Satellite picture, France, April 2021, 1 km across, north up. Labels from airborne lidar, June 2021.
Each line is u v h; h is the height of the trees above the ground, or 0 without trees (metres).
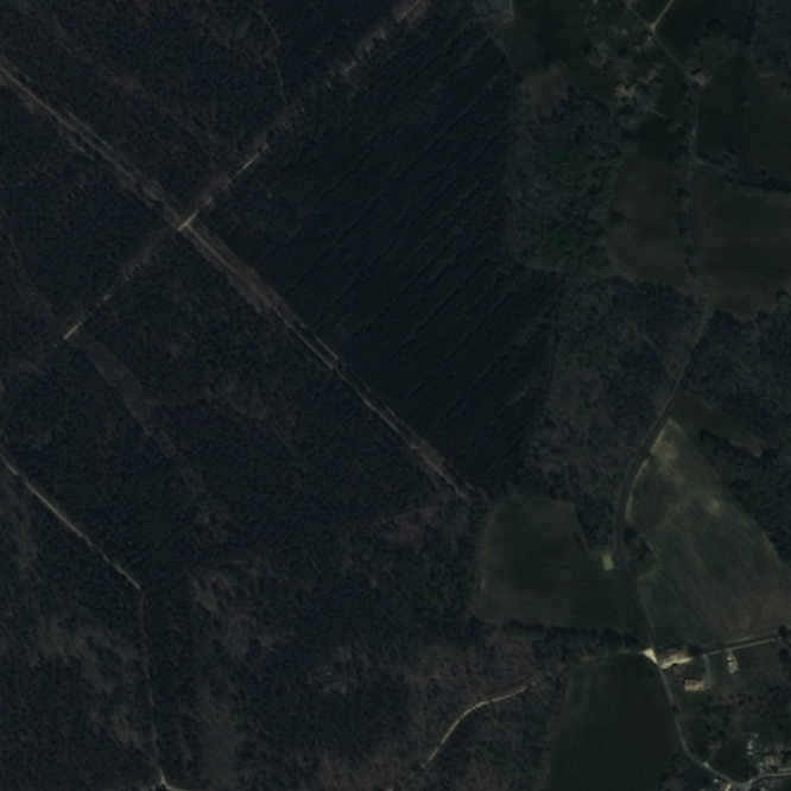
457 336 11
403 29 9
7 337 20
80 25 19
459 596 18
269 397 19
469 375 13
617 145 21
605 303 18
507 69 8
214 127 14
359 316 9
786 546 27
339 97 19
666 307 21
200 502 11
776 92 0
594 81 0
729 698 7
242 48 18
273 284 12
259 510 20
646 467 0
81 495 21
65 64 16
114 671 10
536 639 16
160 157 17
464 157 11
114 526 21
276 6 11
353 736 18
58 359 18
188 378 20
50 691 18
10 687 17
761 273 0
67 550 21
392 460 17
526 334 12
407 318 13
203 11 12
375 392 8
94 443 22
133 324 18
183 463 9
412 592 15
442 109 9
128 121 19
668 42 0
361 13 10
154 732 16
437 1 9
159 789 0
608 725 0
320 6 11
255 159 14
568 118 16
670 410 0
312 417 16
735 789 0
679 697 0
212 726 16
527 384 12
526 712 10
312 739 17
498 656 15
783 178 0
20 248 18
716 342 21
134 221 18
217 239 7
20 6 12
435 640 16
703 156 12
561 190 16
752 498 21
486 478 9
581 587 0
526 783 17
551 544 0
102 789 15
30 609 14
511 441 10
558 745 0
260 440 17
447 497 12
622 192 0
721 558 0
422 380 11
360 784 11
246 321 15
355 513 15
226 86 17
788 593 0
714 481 0
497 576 0
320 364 13
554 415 9
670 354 19
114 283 18
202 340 17
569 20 0
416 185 11
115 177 15
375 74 11
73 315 16
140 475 20
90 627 15
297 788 18
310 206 7
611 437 14
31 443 7
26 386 20
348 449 18
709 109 0
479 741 12
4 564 14
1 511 11
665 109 0
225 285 18
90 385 19
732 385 15
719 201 0
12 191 13
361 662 15
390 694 20
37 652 14
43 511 19
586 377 11
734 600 0
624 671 0
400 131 7
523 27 0
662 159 0
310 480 15
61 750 20
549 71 10
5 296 20
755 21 17
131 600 20
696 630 0
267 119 19
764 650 0
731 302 0
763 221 0
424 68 10
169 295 17
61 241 18
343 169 12
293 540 19
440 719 7
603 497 19
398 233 12
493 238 9
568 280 16
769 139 0
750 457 22
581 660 17
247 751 7
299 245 11
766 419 29
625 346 16
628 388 25
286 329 16
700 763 0
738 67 0
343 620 20
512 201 9
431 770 8
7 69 8
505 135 11
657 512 0
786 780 0
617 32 0
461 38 9
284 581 13
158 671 17
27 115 18
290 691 21
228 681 12
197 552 20
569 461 14
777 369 19
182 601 19
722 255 0
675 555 0
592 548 15
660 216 0
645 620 0
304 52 12
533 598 0
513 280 12
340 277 10
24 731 17
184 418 18
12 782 19
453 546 15
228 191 15
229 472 19
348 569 15
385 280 12
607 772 0
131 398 10
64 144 11
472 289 12
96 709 10
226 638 15
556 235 19
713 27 8
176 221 11
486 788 0
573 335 18
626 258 0
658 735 0
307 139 10
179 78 17
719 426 0
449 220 11
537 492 14
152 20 11
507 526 0
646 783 0
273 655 8
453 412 10
